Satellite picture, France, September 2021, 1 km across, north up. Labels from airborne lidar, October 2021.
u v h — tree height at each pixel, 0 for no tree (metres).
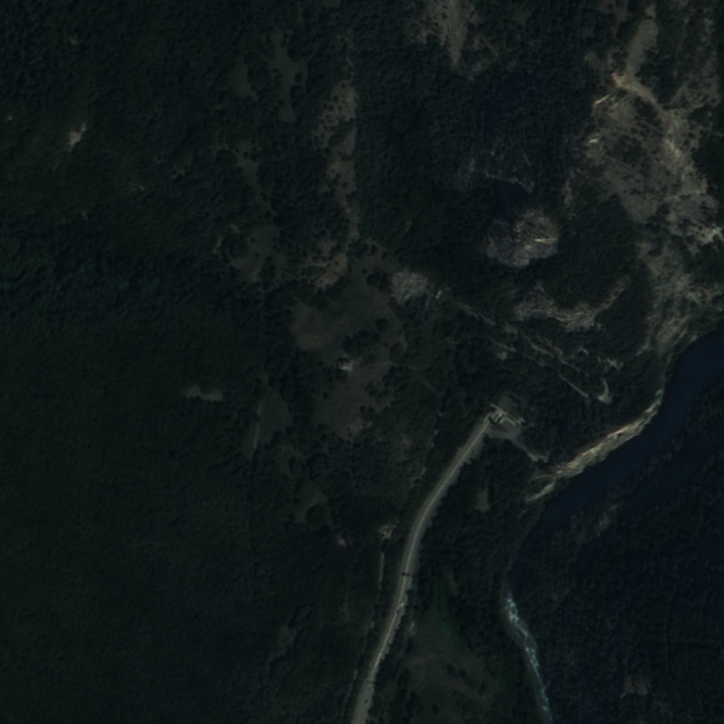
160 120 12
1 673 22
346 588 18
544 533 24
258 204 6
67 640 14
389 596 13
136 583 16
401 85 19
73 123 13
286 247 14
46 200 20
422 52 12
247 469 16
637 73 7
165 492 20
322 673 23
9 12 24
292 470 14
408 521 20
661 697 10
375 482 20
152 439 23
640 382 14
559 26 10
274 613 22
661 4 12
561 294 13
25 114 15
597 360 7
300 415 24
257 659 17
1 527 20
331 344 0
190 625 21
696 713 19
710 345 11
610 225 15
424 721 0
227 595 16
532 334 7
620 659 14
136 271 24
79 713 16
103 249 26
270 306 20
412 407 13
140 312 19
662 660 21
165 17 18
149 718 20
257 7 16
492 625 14
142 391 22
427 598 12
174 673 15
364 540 33
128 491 17
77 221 22
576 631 21
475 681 0
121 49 24
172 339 22
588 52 9
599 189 7
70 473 20
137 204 22
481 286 17
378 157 17
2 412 18
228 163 24
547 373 11
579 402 9
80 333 16
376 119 15
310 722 14
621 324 14
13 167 25
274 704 8
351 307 0
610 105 29
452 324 7
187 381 20
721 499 14
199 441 19
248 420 18
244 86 0
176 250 19
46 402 25
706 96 8
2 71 26
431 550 15
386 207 21
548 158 18
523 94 17
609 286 16
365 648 8
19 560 21
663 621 20
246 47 8
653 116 7
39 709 20
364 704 0
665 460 21
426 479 16
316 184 16
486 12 6
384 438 12
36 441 21
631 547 28
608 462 7
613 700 14
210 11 19
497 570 18
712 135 7
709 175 11
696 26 17
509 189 7
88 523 19
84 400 20
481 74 6
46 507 22
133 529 19
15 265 22
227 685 19
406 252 13
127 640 16
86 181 23
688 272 9
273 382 14
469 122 21
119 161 12
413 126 19
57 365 22
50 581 21
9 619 20
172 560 15
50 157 15
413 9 9
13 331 18
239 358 19
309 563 19
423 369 9
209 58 20
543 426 14
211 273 20
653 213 6
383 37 21
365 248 11
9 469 19
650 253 9
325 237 12
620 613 14
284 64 0
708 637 23
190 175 14
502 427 0
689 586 22
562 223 12
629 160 8
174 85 22
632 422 11
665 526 19
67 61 26
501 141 7
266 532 14
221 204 15
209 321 21
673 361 11
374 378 0
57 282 17
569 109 8
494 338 10
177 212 21
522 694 14
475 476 15
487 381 18
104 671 14
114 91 28
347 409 0
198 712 18
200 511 14
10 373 22
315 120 11
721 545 21
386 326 14
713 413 23
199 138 21
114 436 21
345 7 13
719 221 9
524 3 15
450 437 19
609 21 13
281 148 11
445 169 20
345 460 16
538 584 22
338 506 25
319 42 16
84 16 32
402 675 8
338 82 10
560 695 19
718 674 22
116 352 23
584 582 19
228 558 16
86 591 16
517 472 11
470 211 13
